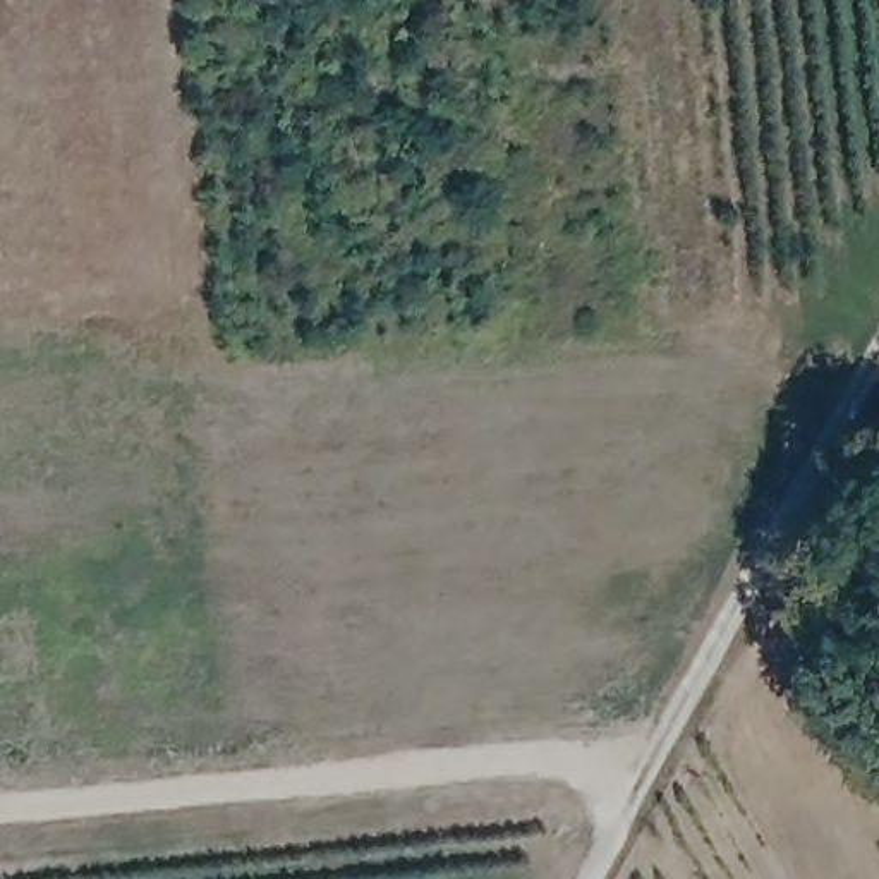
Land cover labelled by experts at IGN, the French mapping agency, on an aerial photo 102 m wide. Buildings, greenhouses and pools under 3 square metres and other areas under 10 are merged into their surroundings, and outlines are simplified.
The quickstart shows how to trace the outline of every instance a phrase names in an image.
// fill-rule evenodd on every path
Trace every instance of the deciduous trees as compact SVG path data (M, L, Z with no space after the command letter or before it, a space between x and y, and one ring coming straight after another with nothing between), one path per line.
M800 539L786 560L759 556L749 577L759 580L766 587L762 591L773 628L797 628L800 608L810 601L824 618L841 621L845 632L852 632L852 646L841 646L834 639L821 642L817 670L793 673L797 690L786 694L786 704L793 714L803 714L803 731L831 755L848 790L879 803L879 429L858 429L852 440L841 443L841 450L852 460L817 494L831 508L821 522L810 525L810 536ZM872 580L876 608L869 615L858 615L855 601L838 597L838 587L848 584L852 570L869 573Z
M247 354L264 364L292 364L347 350L350 343L357 343L361 330L378 336L395 330L426 333L429 326L443 323L481 326L488 323L488 316L477 309L474 299L474 292L484 285L484 275L477 268L481 251L474 244L446 240L440 247L426 247L422 258L412 258L409 247L388 254L374 247L374 240L350 244L347 233L367 230L367 223L350 223L350 216L343 216L330 199L333 192L326 185L330 172L343 175L347 185L388 175L398 192L388 203L361 206L364 216L385 216L388 223L405 227L446 199L460 223L481 227L488 233L501 206L501 185L491 175L470 172L467 155L450 155L450 144L467 144L477 127L433 117L426 106L409 106L398 100L398 93L371 89L367 55L361 52L361 41L354 34L326 38L316 48L316 62L340 62L340 72L316 76L312 100L295 106L295 117L285 113L282 96L254 96L254 86L275 86L275 65L292 65L292 52L302 48L309 34L319 34L319 27L330 21L326 0L172 0L172 10L189 21L189 38L175 48L179 72L185 72L189 82L199 86L196 100L185 110L196 117L196 130L206 134L203 158L192 158L196 172L203 175L192 185L192 199L203 216L203 233L216 233L216 247L206 251L206 264L216 264L216 285L213 295L203 299L213 326L213 343L223 350L230 364L244 361Z
M440 0L409 0L409 17L388 24L391 65L405 65L405 58L415 52L426 17L443 10Z
M814 271L810 220L824 220L827 227L834 227L834 196L824 161L827 155L841 151L841 175L852 213L865 209L855 161L869 155L869 165L879 172L879 0L749 0L759 134L749 134L742 110L735 0L694 0L700 10L700 24L711 24L707 14L721 10L731 151L738 175L738 203L728 206L721 223L742 223L745 230L749 288L762 292L759 268L769 261L779 271L793 261L800 268L800 278Z
M515 7L522 34L560 31L556 38L567 48L584 27L594 27L594 21L601 17L597 0L494 0L494 10L501 14Z
M525 858L525 852L505 848L223 879L371 879L460 865L515 865Z
M0 869L0 879L93 879L453 838L539 834L543 821L536 817L501 824L357 834L278 848L93 862L76 869Z

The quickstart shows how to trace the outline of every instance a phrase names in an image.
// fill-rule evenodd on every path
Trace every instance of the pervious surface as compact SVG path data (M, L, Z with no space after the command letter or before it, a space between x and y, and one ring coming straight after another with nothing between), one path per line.
M594 848L577 879L604 879L615 855L625 845L625 834L639 807L652 793L652 783L673 742L687 728L704 687L711 683L728 642L742 632L742 611L762 591L766 587L759 580L749 577L759 556L786 560L800 539L810 536L810 525L821 522L831 508L817 494L852 460L841 450L841 443L852 440L858 429L879 429L879 330L872 333L865 347L869 357L862 361L803 350L790 371L766 415L766 443L759 450L755 470L749 474L745 505L735 508L742 563L735 570L735 594L724 594L700 649L694 652L687 673L676 680L663 714L652 711L635 721L611 721L608 728L601 728L601 738L594 742L539 738L484 742L460 749L409 749L374 759L278 766L254 773L203 773L144 783L27 790L0 797L0 817L7 824L24 824L58 817L172 810L199 803L357 797L457 779L539 776L570 783L591 807Z

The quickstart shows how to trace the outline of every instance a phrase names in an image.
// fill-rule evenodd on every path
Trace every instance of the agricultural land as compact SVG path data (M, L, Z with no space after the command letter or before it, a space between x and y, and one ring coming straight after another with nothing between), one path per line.
M635 721L652 711L663 714L676 680L687 673L694 652L700 649L724 594L735 594L735 570L742 563L735 508L745 505L749 474L755 470L759 450L766 443L766 415L790 371L779 357L779 323L762 312L745 312L742 306L742 295L749 288L745 230L742 223L721 223L728 206L738 203L738 175L731 151L721 10L707 14L711 24L700 24L700 10L694 0L597 0L601 17L611 27L611 48L601 58L587 65L549 65L549 79L591 79L621 72L618 127L611 148L625 155L625 185L639 244L659 251L659 271L646 275L635 285L639 333L635 340L553 340L546 347L543 364L481 371L477 378L464 378L453 364L450 371L426 367L415 374L374 381L371 361L357 350L347 350L292 364L264 364L247 354L244 361L230 364L223 350L213 343L213 326L203 299L213 295L216 285L216 264L206 264L206 251L216 247L216 233L203 233L203 216L192 199L192 185L203 175L196 172L192 158L203 158L206 134L196 130L196 117L185 110L196 100L199 86L189 82L185 72L179 72L175 48L189 38L189 21L172 10L172 0L0 0L0 797L27 790L144 783L203 773L254 773L278 766L374 759L409 749L460 749L484 742L539 738L594 742L601 738L601 728L608 728L611 721Z

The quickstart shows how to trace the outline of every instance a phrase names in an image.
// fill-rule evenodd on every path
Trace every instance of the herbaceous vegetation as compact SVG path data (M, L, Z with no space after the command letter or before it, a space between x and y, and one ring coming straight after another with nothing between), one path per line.
M347 350L357 350L371 361L374 381L415 374L426 367L450 371L453 364L464 378L477 378L481 371L543 364L546 347L553 340L518 336L525 306L522 299L501 299L488 316L488 323L481 326L443 323L429 326L426 333L395 330L378 336L361 330L357 343L350 343Z
M827 155L824 161L834 196L834 227L827 227L824 220L810 220L814 271L800 278L800 268L793 261L779 271L769 261L759 268L762 292L749 288L742 295L742 306L745 312L762 312L779 323L779 357L790 371L803 350L862 361L869 357L865 347L872 333L879 330L879 172L869 165L869 155L855 161L865 209L852 213L841 175L841 151Z
M872 580L869 573L852 570L848 584L838 587L838 597L855 601L858 615L869 615L876 608Z
M457 779L357 797L199 803L172 810L58 817L24 824L7 824L0 817L0 869L76 869L93 862L278 848L357 834L501 824L536 817L543 821L539 834L453 838L93 879L223 879L505 848L525 852L525 858L515 865L460 865L371 879L577 879L594 848L591 807L570 783L539 776Z
M591 96L584 96L580 89L570 96L553 93L549 117L539 124L536 134L515 127L512 113L505 106L494 106L494 134L508 137L512 144L525 144L525 155L546 165L546 182L560 185L563 196L573 196L580 189L625 185L625 155L611 148L570 158L577 141L577 120L591 120L594 127L618 127L621 72L591 79Z
M749 134L759 134L749 0L735 0L742 110Z
M704 687L687 728L673 742L652 783L652 793L639 807L625 834L625 845L615 855L604 879L879 879L879 803L848 790L831 755L803 731L803 714L793 714L786 704L786 694L797 690L793 673L817 670L821 642L834 639L841 646L852 646L852 632L845 632L841 621L824 618L810 601L800 608L797 628L773 628L762 591L742 611L742 632L728 642L711 683Z

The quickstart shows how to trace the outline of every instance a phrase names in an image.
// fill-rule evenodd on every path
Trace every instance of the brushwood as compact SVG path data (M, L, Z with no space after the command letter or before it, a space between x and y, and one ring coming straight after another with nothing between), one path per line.
M560 31L522 34L515 7L501 14L494 10L494 0L440 0L443 10L426 17L415 52L405 58L405 65L391 65L388 24L409 17L409 0L326 0L330 21L319 27L319 34L309 34L302 48L292 52L292 65L275 65L275 86L254 86L254 96L282 96L285 113L295 117L295 106L312 100L316 76L340 72L340 62L316 62L316 48L326 38L354 34L361 41L361 52L367 55L371 89L398 93L398 100L409 106L426 106L433 117L477 127L467 144L450 144L450 155L467 155L470 172L491 175L501 185L501 206L488 233L481 227L460 223L446 199L405 227L388 223L385 216L364 216L361 206L388 203L398 192L388 175L347 185L343 175L330 172L326 185L333 192L330 199L343 216L350 216L350 223L367 223L367 230L347 233L350 244L374 240L374 247L388 254L409 247L412 258L422 258L426 247L440 247L446 240L474 244L481 251L477 268L484 275L484 285L474 292L474 299L477 309L488 316L501 299L522 299L525 306L518 336L553 340L635 340L639 333L635 285L646 275L659 271L659 251L639 244L625 185L580 189L573 196L563 196L560 185L546 182L546 165L525 155L525 144L512 144L508 137L494 134L494 106L505 106L512 113L515 127L536 134L539 124L549 117L553 93L570 96L580 89L584 96L591 96L591 79L549 79L549 65L587 65L601 58L611 48L611 27L601 17L594 21L594 27L584 27L567 48L556 38Z
M618 127L594 127L591 120L577 120L577 141L570 158L611 148Z

